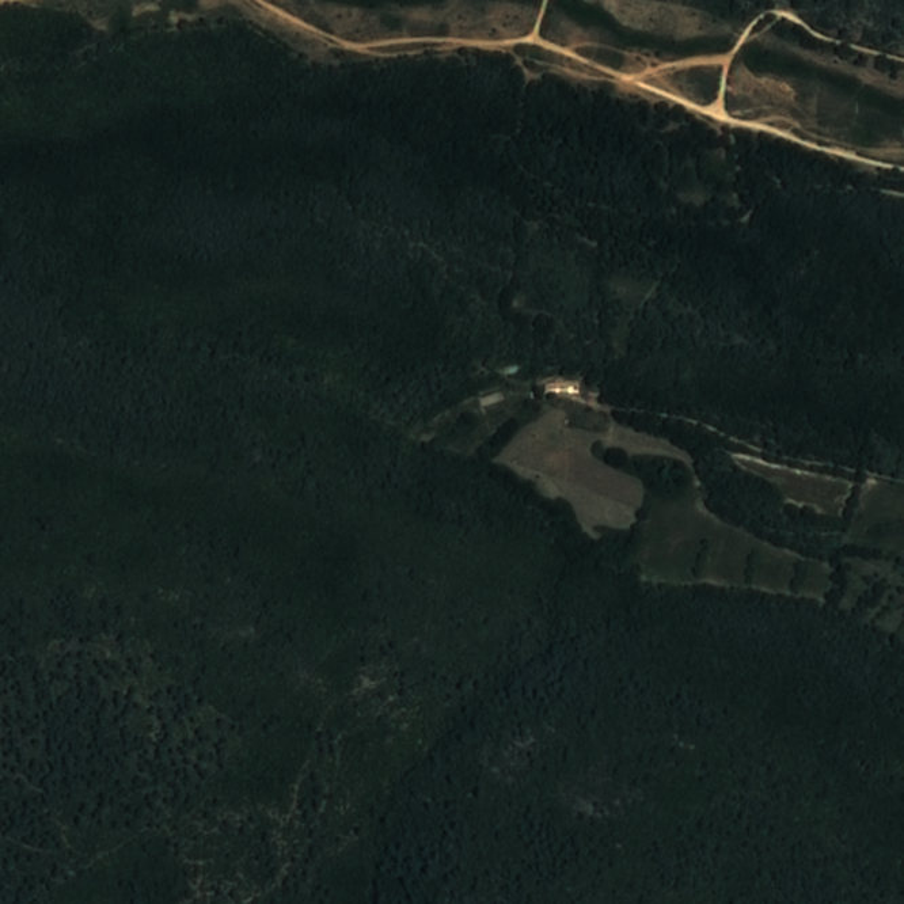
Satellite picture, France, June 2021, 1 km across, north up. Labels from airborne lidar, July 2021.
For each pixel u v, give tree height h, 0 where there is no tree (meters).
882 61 7
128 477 8
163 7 0
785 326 12
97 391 9
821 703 14
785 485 0
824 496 0
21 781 11
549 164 12
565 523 10
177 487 8
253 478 7
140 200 13
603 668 7
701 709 12
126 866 6
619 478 0
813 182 11
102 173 9
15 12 7
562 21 0
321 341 8
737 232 16
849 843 6
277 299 9
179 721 14
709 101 0
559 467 0
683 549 0
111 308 9
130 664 11
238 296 8
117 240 10
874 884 8
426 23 0
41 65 8
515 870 7
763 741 6
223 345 9
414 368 14
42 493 6
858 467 10
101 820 11
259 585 14
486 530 7
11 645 7
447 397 14
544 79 9
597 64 0
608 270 6
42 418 8
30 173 15
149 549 7
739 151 10
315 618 7
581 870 13
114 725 9
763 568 0
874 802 6
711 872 12
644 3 0
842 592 7
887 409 10
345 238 8
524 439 0
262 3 0
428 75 10
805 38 7
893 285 11
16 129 9
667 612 11
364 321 11
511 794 6
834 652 12
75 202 9
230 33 7
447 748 10
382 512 8
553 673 14
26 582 5
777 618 10
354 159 13
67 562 6
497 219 8
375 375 9
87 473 8
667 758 6
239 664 6
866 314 9
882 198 13
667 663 8
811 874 14
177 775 11
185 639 7
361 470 6
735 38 0
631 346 10
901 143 0
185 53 7
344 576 9
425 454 13
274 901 13
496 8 0
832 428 9
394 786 7
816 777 9
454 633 7
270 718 11
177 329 9
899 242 12
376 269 14
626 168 12
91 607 7
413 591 6
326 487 8
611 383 15
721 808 6
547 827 11
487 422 0
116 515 5
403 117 10
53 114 8
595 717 14
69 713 14
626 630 9
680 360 8
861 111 0
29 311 9
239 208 8
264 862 9
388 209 15
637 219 11
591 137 11
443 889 7
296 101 8
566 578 12
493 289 7
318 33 0
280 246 12
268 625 8
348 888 10
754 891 8
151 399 8
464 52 11
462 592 6
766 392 12
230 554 11
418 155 12
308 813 16
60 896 7
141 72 9
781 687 9
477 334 7
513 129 9
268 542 9
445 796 6
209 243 10
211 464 8
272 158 12
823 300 10
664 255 13
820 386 9
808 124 0
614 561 6
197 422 12
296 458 15
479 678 9
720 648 9
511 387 7
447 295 10
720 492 11
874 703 11
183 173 12
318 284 7
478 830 5
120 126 12
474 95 7
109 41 8
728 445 10
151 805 14
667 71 0
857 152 0
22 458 7
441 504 11
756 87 0
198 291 7
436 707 6
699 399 10
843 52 10
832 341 14
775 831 16
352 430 10
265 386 9
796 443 11
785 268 11
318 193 8
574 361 14
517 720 6
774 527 8
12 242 9
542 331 11
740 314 14
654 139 8
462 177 13
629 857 6
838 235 11
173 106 10
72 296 8
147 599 12
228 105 12
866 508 0
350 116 12
